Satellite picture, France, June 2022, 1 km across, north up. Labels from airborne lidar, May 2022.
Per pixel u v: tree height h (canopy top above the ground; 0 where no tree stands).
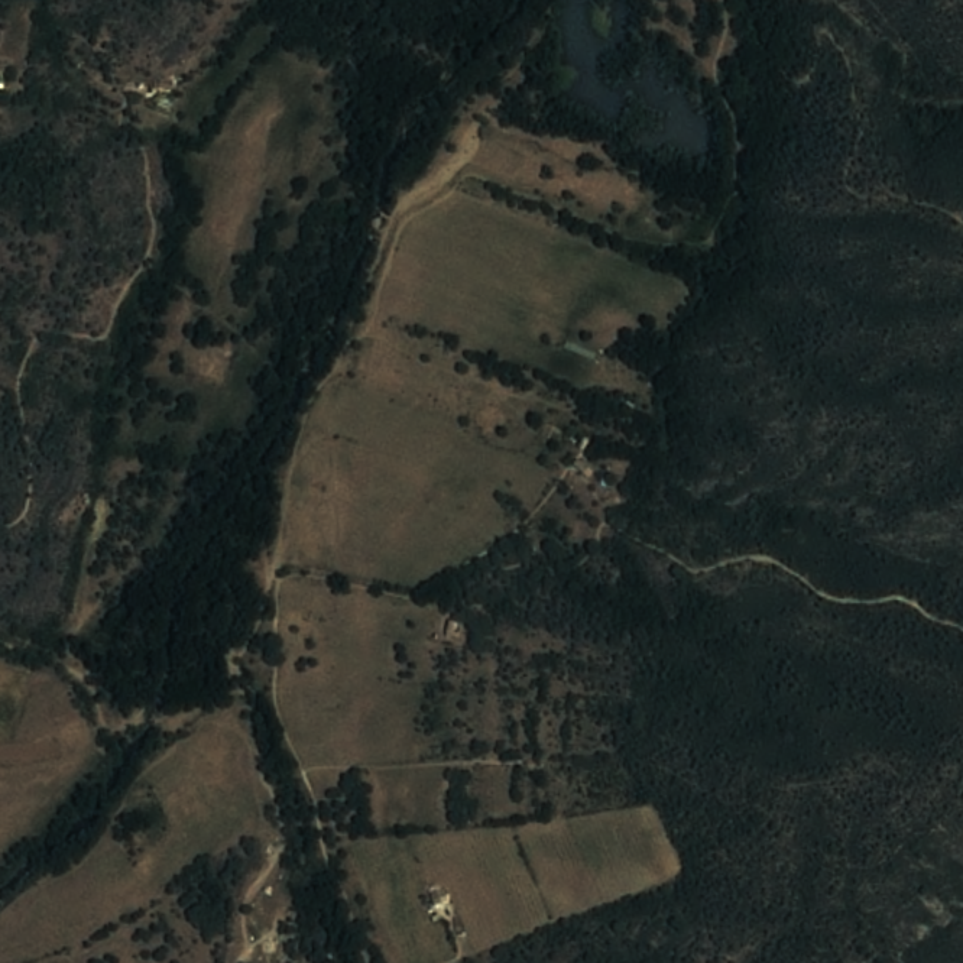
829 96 11
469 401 0
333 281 23
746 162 24
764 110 16
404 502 0
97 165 7
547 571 6
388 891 0
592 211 0
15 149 8
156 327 15
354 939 19
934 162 8
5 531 11
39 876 12
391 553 0
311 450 0
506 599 10
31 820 0
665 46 23
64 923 0
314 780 0
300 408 19
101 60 8
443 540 0
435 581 14
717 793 10
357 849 0
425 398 0
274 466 25
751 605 0
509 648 8
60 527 0
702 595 11
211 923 14
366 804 13
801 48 8
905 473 7
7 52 0
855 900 7
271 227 12
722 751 7
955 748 7
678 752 13
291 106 0
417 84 15
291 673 0
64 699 0
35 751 0
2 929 0
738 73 14
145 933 12
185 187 16
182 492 10
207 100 0
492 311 0
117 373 7
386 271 0
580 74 0
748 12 10
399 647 11
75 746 0
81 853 13
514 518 0
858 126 10
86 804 22
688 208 9
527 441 0
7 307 13
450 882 0
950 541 0
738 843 8
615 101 0
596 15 0
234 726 0
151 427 0
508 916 0
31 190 9
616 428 8
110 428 11
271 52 10
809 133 13
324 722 0
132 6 9
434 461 0
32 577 7
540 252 0
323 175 0
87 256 10
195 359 0
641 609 12
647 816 0
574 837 0
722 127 26
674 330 11
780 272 6
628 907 5
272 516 19
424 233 0
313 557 0
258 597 9
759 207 8
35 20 8
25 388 7
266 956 0
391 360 0
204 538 21
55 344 12
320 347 16
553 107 14
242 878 10
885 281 6
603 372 0
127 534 7
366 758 0
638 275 0
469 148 0
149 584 20
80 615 0
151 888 0
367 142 28
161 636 16
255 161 0
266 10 17
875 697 8
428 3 10
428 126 10
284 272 11
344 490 0
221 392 0
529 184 0
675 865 0
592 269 0
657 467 12
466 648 5
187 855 0
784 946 12
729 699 6
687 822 8
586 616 9
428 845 0
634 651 10
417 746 0
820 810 8
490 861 0
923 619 10
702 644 7
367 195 11
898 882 0
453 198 0
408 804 0
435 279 0
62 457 9
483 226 0
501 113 17
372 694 0
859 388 7
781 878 9
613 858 0
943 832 0
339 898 14
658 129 8
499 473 0
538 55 12
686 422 15
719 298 22
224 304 0
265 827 0
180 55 0
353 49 8
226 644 23
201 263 0
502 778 0
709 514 10
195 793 0
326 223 12
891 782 8
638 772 6
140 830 11
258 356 0
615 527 11
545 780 10
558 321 0
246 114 0
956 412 10
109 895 0
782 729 9
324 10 17
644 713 12
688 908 5
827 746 8
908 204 6
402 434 0
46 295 8
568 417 0
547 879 0
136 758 13
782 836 10
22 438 6
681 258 15
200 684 16
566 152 0
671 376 19
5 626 7
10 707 0
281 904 0
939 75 11
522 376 10
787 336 7
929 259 9
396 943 0
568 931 7
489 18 17
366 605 0
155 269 9
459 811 11
